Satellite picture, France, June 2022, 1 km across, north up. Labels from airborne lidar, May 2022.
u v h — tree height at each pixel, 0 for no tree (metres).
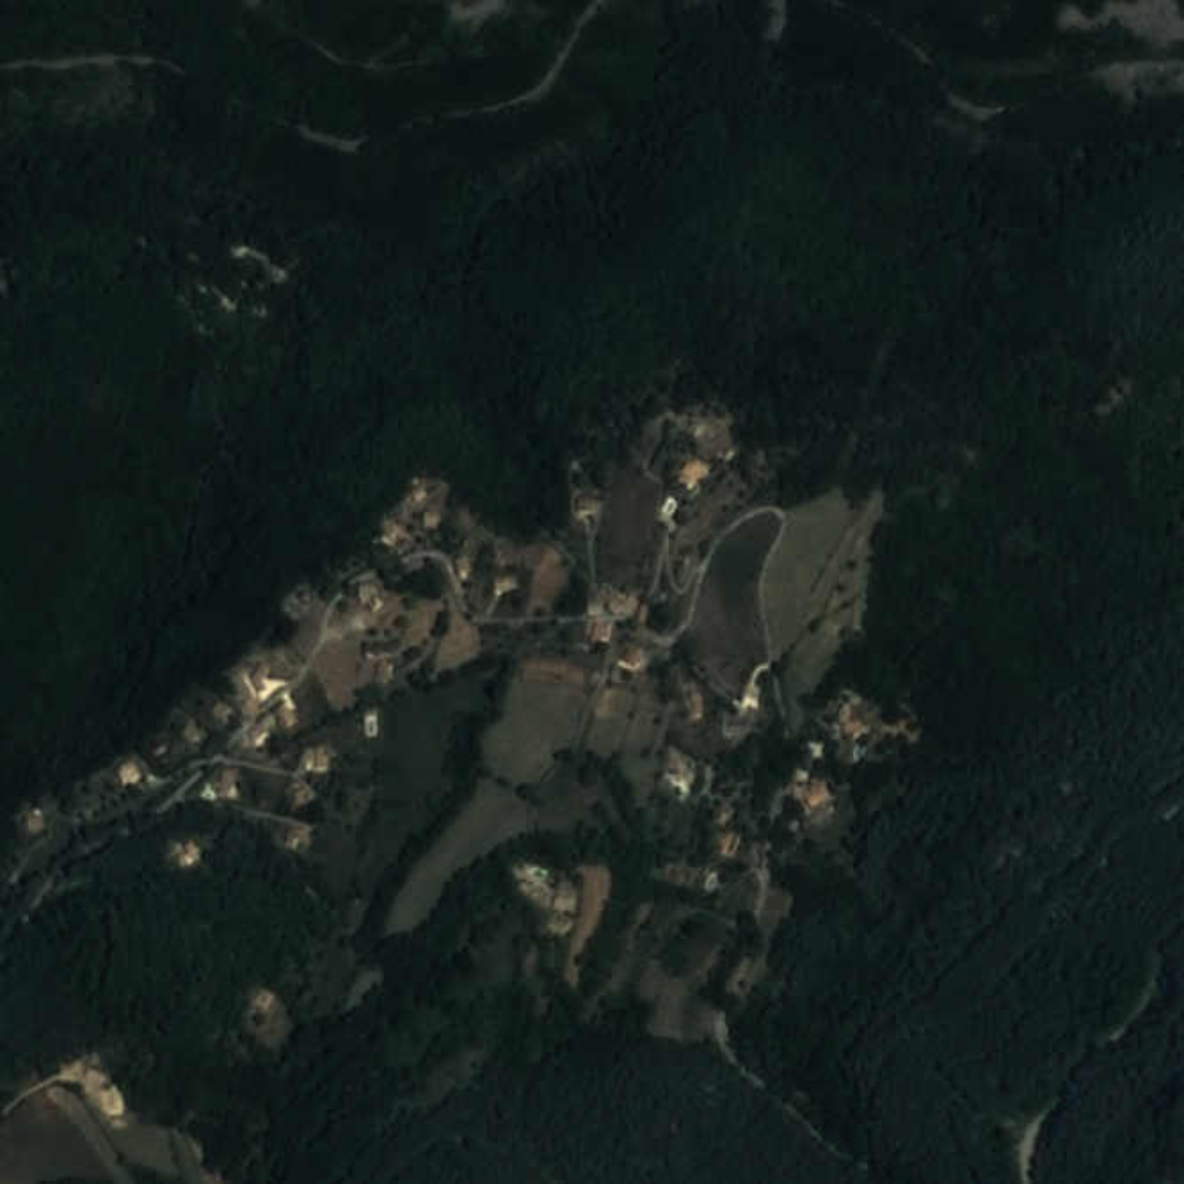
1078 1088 14
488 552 7
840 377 18
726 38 22
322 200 8
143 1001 12
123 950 18
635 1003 9
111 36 8
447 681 12
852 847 11
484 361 14
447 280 23
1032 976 15
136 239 16
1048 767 18
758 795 12
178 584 18
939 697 16
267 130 18
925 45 10
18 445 13
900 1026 20
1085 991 10
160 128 14
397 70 7
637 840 10
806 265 14
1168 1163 6
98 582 14
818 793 0
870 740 10
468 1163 15
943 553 11
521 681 0
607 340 15
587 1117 20
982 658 13
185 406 28
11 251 23
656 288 16
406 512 0
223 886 17
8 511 19
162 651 17
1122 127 20
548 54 9
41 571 19
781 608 0
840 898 12
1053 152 19
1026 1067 22
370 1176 12
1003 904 17
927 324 14
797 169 14
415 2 7
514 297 24
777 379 19
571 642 13
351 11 6
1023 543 9
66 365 12
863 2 9
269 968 16
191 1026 24
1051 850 11
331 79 8
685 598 0
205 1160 6
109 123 7
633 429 12
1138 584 18
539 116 8
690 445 7
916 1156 27
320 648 0
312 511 16
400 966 15
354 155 7
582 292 19
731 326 17
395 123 7
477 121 15
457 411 12
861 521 0
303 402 20
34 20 10
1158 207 20
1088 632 15
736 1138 16
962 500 9
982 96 8
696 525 0
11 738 23
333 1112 12
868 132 26
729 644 0
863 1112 18
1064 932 18
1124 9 0
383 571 10
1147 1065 21
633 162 29
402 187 12
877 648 16
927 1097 22
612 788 8
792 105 19
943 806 29
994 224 21
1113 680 14
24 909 14
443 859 0
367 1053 17
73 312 20
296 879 18
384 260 16
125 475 21
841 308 16
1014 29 9
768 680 7
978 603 12
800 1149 24
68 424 18
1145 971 7
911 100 26
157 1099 12
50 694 19
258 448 22
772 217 11
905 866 24
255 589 20
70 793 14
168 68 17
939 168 24
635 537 0
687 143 19
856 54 11
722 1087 10
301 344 21
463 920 13
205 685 12
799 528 0
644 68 7
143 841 19
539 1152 14
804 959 26
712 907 7
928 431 9
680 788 0
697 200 23
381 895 17
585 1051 17
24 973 22
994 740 19
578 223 28
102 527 13
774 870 8
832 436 13
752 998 13
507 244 24
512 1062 10
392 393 18
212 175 12
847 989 37
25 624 19
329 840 0
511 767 0
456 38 8
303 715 0
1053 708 19
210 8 19
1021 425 11
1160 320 15
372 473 12
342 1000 8
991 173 20
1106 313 11
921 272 19
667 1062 17
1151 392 8
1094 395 11
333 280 21
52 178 19
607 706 0
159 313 21
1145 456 14
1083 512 14
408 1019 17
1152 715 14
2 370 15
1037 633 17
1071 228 22
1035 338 22
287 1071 28
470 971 16
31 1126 0
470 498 10
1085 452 13
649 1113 18
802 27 10
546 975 10
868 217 24
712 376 16
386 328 22
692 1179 17
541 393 16
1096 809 16
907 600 13
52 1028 22
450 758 8
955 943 11
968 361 18
